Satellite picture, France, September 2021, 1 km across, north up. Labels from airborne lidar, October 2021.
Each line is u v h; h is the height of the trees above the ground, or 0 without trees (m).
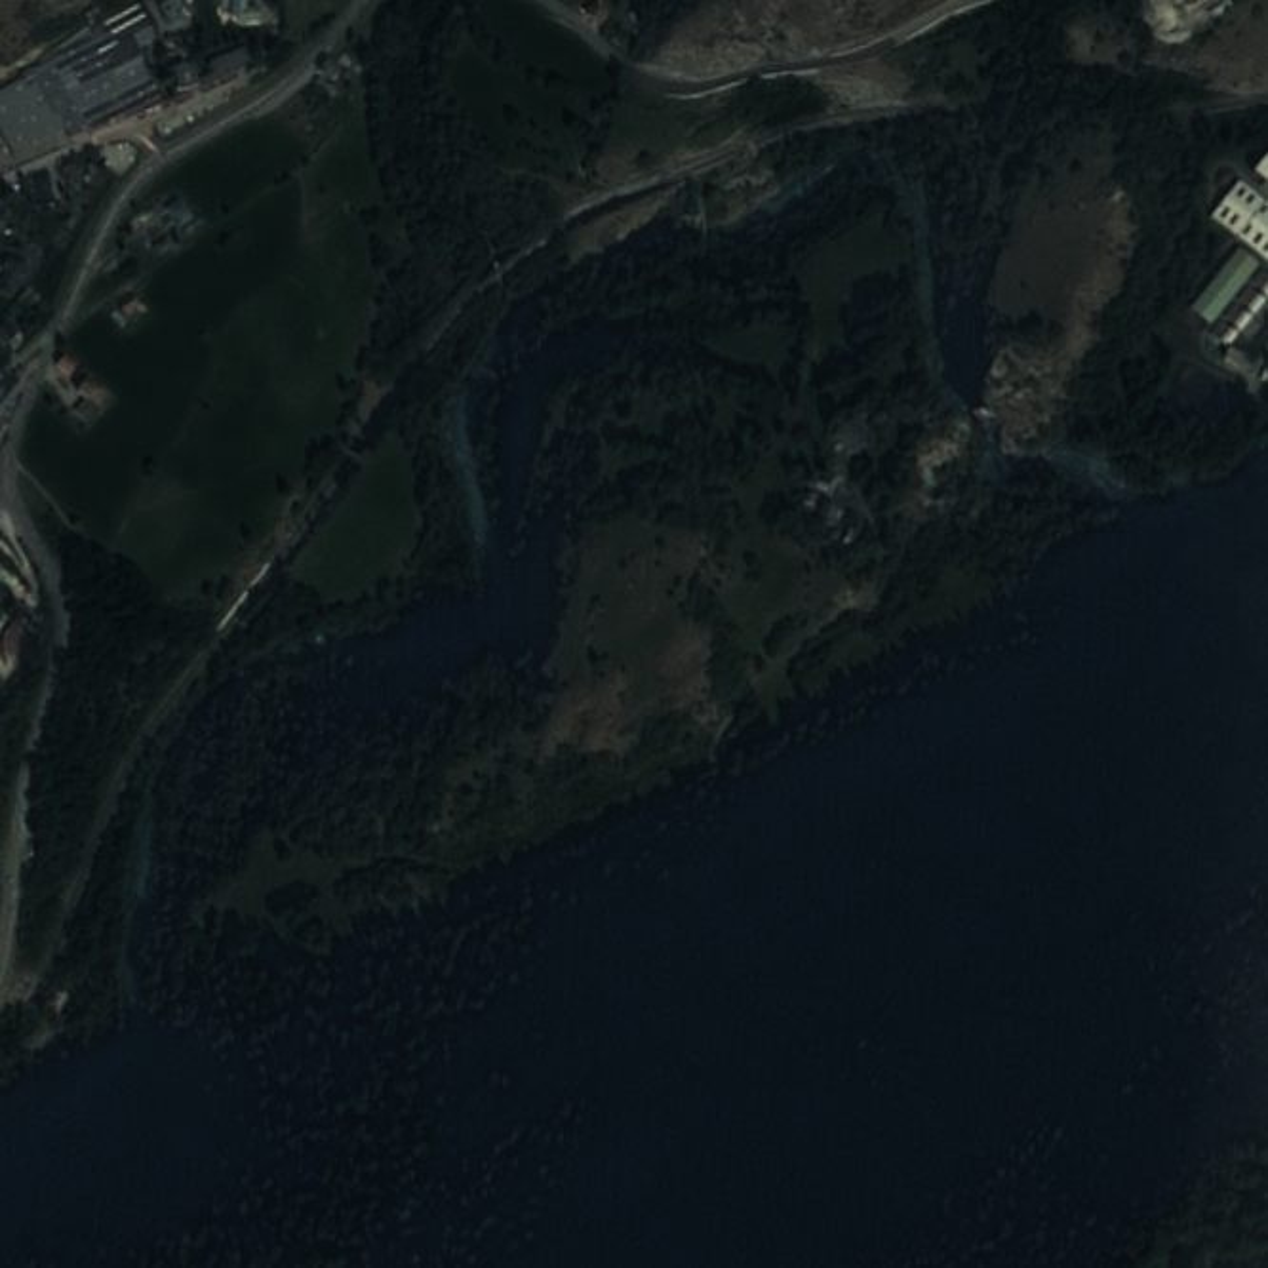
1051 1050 22
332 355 0
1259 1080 23
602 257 13
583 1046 27
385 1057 28
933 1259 29
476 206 25
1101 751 35
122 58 0
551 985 17
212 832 20
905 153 32
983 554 27
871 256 0
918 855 22
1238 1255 19
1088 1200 25
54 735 20
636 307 7
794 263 7
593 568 0
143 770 18
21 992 0
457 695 15
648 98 0
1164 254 16
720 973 21
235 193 0
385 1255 17
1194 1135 28
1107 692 12
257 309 0
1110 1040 18
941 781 22
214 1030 20
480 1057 22
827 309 0
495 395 17
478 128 0
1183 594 21
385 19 14
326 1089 30
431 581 11
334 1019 20
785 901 23
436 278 17
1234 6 8
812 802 16
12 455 0
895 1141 29
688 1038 18
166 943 14
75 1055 18
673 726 14
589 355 10
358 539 0
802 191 0
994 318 7
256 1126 29
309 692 16
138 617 15
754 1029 26
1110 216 0
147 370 0
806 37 0
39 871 15
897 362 0
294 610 23
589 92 0
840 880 23
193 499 0
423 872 6
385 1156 21
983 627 0
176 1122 20
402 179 25
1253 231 0
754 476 18
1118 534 6
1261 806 15
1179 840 12
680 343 8
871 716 16
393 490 0
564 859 21
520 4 0
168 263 0
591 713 0
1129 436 17
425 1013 36
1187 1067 27
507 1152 28
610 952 20
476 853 7
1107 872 19
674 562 0
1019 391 7
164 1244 40
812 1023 22
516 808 14
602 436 0
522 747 0
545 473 14
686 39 0
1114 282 0
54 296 0
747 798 19
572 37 0
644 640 0
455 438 0
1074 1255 23
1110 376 18
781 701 0
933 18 0
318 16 0
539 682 11
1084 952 23
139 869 0
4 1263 24
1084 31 0
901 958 21
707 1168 25
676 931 17
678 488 13
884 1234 21
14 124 0
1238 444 22
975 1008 19
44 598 11
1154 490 13
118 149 0
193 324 0
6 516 0
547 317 10
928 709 14
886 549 10
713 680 11
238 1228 17
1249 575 30
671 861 16
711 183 9
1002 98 7
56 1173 16
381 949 19
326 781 11
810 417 0
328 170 0
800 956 28
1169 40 0
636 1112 17
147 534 0
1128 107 17
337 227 0
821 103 8
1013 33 20
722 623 14
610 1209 14
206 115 0
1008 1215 28
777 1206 26
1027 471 10
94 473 0
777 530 17
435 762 14
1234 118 7
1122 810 22
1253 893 14
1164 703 21
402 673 26
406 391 16
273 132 0
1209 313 0
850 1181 29
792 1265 20
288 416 0
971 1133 16
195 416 0
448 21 20
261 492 0
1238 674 22
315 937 18
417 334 15
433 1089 16
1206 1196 16
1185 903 15
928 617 0
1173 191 16
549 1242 20
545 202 16
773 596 0
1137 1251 22
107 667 19
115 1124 15
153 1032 18
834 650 15
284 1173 23
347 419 9
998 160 8
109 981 16
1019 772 21
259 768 24
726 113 6
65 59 0
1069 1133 29
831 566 13
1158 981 17
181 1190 19
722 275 10
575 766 14
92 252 0
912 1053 30
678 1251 37
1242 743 20
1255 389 0
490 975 21
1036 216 0
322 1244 17
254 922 0
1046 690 18
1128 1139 27
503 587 0
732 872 22
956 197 17
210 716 19
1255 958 22
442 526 25
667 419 0
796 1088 26
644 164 8
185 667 15
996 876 16
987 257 0
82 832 12
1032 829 24
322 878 0
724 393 17
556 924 24
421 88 19
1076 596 10
